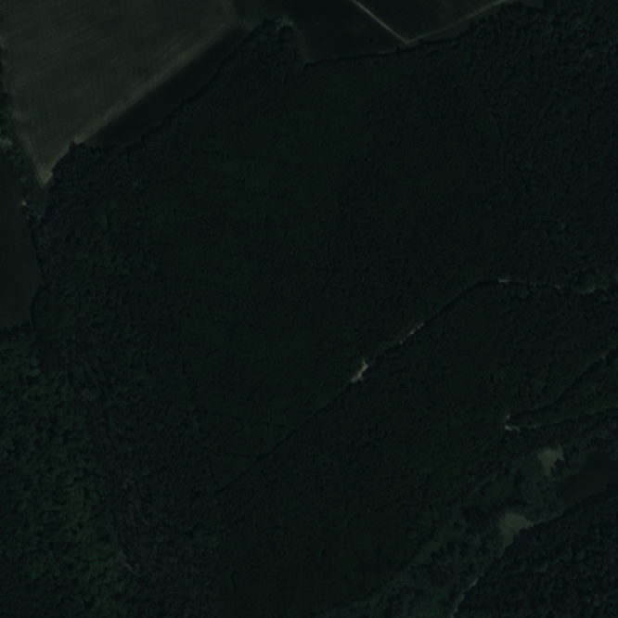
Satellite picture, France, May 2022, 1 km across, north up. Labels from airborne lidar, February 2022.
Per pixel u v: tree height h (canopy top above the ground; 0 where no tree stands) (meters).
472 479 19
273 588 12
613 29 28
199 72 0
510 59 26
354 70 13
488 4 0
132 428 24
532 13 22
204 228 14
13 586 34
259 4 0
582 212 29
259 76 14
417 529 15
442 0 0
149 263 25
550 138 25
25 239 0
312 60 0
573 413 24
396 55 9
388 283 17
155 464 20
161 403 27
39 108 0
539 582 28
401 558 17
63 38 0
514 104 26
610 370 24
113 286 26
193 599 30
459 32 0
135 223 23
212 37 0
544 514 20
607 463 0
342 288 16
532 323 17
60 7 0
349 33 0
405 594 23
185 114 22
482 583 13
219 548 17
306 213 14
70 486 32
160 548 31
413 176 16
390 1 0
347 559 15
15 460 33
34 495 31
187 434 25
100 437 26
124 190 27
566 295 23
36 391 34
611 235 19
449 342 19
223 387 19
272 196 13
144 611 21
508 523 0
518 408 21
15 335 20
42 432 31
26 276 0
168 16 0
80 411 29
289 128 11
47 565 35
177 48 0
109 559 32
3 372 34
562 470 24
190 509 30
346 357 16
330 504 18
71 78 0
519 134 21
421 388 17
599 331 25
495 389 25
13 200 0
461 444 19
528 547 29
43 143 0
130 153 20
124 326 29
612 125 30
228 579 8
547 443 15
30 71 0
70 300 30
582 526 0
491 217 19
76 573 35
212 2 0
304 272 15
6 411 35
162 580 28
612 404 18
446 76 14
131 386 29
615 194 25
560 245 25
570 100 26
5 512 29
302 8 0
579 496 0
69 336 25
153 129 0
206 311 16
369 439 15
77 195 26
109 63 0
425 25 0
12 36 0
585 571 26
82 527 36
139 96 0
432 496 17
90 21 0
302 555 13
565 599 29
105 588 31
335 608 23
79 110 0
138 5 0
